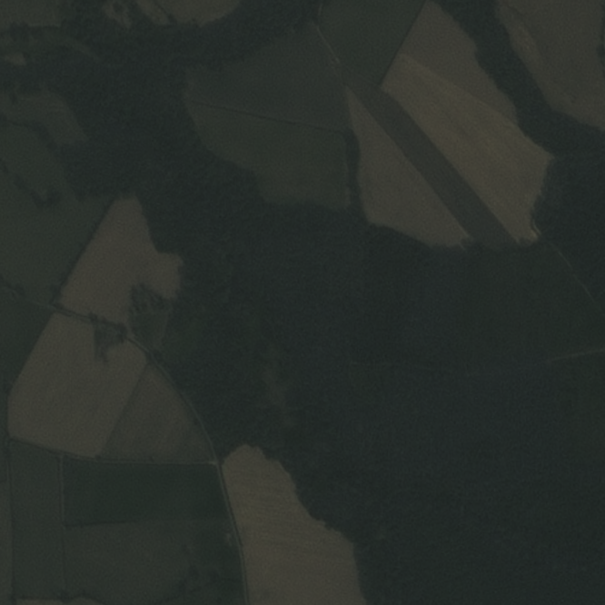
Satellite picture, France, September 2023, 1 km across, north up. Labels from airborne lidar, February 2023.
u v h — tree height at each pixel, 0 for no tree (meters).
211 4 0
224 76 0
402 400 23
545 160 0
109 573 0
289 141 0
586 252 15
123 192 18
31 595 0
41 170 0
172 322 18
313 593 0
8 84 25
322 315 19
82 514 0
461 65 0
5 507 0
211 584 7
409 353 7
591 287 11
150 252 0
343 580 0
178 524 0
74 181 16
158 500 0
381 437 19
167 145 27
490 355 0
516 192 0
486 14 25
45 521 0
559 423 34
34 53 0
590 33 0
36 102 0
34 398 0
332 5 0
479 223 0
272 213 17
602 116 0
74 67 25
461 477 21
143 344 0
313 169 0
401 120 0
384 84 0
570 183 13
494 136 0
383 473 18
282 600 0
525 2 0
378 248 8
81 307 0
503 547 29
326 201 0
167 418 0
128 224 0
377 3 0
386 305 8
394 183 0
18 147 0
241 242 26
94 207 0
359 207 17
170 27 7
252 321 11
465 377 25
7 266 0
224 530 0
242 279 28
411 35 0
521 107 13
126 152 24
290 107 0
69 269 8
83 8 8
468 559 18
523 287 0
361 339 7
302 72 0
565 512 20
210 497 0
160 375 0
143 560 0
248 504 0
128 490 0
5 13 0
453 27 0
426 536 18
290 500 0
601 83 0
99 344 0
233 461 0
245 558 0
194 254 24
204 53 23
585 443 0
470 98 0
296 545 0
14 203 0
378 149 0
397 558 22
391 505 17
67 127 0
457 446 22
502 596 24
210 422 13
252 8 23
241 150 0
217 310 25
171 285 0
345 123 0
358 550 16
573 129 24
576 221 12
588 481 26
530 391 34
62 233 0
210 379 16
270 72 0
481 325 0
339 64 0
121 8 9
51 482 0
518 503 18
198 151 17
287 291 18
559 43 0
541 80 0
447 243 0
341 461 26
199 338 0
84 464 0
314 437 7
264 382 0
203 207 16
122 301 0
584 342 0
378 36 0
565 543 19
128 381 0
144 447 0
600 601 24
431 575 22
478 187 0
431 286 22
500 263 0
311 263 20
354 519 21
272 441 21
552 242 18
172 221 24
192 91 0
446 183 0
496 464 11
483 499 22
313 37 0
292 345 25
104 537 0
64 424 0
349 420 25
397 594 7
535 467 35
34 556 0
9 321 0
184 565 0
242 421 11
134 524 0
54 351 0
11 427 0
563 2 0
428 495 18
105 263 0
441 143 0
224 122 0
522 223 0
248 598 0
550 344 0
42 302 0
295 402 19
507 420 30
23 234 0
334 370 21
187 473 0
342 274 21
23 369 0
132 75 24
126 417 0
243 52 17
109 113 28
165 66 15
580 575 26
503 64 25
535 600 24
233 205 25
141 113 27
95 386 0
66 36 7
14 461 0
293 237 25
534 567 27
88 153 16
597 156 19
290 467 17
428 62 0
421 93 0
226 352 16
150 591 0
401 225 0
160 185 23
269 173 0
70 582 0
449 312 27
